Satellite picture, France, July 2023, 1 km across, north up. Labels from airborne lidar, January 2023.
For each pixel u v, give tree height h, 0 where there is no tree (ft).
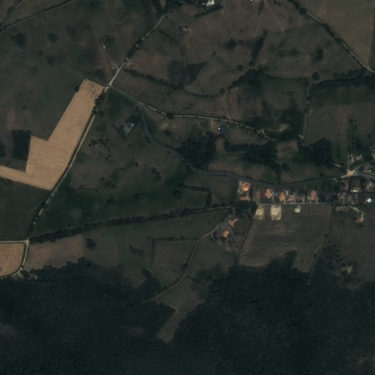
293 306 84
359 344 30
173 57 0
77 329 38
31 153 0
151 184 0
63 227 0
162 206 0
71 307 41
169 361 36
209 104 0
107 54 0
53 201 0
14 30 0
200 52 0
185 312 0
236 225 0
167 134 22
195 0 37
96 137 0
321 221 0
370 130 0
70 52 0
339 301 25
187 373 35
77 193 0
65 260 0
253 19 0
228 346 74
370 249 0
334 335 42
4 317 20
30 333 55
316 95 0
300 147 63
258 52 37
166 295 0
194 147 107
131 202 0
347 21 0
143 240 0
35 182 0
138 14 0
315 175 0
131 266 0
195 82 0
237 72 0
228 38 0
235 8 0
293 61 0
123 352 32
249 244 0
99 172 0
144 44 0
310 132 0
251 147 42
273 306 78
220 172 0
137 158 0
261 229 0
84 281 35
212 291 37
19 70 0
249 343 49
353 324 29
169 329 0
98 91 0
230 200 0
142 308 48
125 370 25
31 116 0
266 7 0
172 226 0
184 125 0
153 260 0
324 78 0
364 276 0
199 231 0
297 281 44
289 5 0
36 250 0
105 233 0
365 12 0
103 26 0
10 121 0
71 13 0
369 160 21
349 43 0
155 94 0
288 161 0
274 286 43
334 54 0
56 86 0
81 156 0
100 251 0
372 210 0
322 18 0
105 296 47
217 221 0
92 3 26
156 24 0
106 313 36
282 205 0
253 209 33
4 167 0
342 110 0
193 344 60
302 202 0
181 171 0
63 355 75
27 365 79
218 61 0
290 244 0
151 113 0
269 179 0
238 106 0
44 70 0
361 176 25
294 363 65
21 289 49
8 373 86
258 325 46
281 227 0
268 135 21
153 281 39
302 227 0
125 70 34
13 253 0
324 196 21
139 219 45
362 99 0
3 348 23
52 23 0
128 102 0
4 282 34
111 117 0
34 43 0
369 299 36
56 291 42
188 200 0
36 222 28
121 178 0
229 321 38
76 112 0
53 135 0
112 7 0
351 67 0
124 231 0
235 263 0
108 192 0
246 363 83
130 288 28
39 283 54
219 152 0
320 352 47
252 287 57
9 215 0
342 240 0
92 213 0
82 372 78
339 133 0
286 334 38
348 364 28
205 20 0
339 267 0
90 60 0
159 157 0
